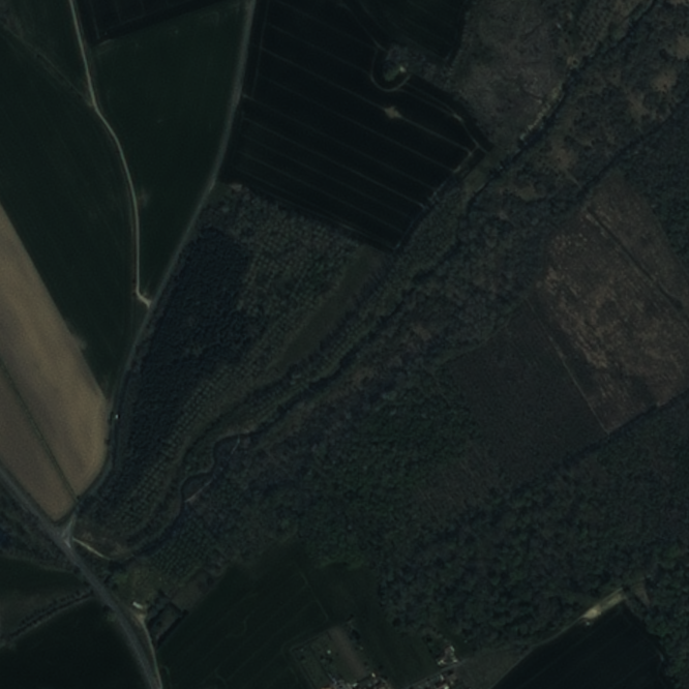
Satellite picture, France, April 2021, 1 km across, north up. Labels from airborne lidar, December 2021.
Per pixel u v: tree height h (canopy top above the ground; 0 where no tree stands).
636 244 0
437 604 15
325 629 0
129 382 17
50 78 0
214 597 0
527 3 0
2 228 0
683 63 7
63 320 0
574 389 9
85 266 0
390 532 23
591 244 0
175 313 13
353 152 0
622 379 7
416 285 14
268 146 0
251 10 0
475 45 0
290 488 27
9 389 0
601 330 0
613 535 10
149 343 8
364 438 21
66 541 0
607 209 0
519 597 11
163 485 17
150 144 0
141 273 0
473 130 0
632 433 19
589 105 8
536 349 5
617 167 25
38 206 0
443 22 0
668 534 23
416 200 0
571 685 0
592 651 0
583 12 24
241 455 17
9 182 0
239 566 0
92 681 0
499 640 19
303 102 0
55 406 0
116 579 18
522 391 6
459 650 0
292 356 0
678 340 0
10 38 0
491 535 32
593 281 0
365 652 0
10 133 0
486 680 0
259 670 0
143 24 0
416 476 20
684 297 0
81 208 0
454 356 7
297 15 0
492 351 6
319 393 24
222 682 0
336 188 0
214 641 0
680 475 22
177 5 0
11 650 0
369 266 0
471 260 30
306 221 10
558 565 24
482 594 32
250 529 26
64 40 0
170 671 0
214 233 13
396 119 0
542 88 0
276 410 25
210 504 21
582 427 6
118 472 11
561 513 33
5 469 0
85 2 0
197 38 0
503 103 0
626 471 21
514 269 9
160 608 7
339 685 0
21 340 0
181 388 16
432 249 34
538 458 9
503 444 12
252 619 0
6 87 0
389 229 0
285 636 0
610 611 0
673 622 27
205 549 25
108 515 12
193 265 13
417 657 0
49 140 0
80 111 0
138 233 0
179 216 0
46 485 0
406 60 11
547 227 16
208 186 0
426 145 0
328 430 30
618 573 26
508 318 10
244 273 16
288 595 0
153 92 0
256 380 20
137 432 15
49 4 0
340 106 0
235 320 13
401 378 24
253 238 23
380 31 0
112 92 0
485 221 27
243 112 0
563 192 7
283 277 14
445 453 19
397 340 15
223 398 17
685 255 20
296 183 0
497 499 19
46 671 0
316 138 0
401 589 28
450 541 24
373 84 0
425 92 0
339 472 21
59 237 0
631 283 0
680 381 0
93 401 0
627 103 6
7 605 0
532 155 14
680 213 18
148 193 0
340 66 0
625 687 0
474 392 8
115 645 0
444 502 23
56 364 0
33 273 0
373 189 0
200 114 0
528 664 0
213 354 13
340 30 0
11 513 25
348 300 0
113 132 0
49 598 0
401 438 20
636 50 28
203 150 0
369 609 0
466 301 9
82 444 0
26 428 0
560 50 13
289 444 7
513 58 0
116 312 0
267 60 0
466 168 0
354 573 0
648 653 0
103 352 0
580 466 31
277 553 0
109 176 0
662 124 7
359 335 25
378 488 18
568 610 26
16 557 30
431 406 16
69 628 0
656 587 19
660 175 18
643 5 8
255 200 21
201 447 7
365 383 7
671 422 13
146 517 21
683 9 8
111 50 0
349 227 0
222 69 0
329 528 31
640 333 0
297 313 21
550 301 0
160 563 25
